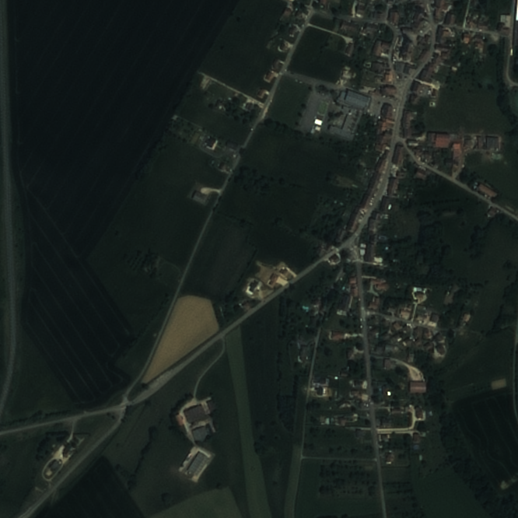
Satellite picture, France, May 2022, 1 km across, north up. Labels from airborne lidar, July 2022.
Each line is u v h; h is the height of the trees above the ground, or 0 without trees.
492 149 0
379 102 0
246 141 0
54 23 0
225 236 0
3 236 0
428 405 8
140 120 0
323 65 0
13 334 0
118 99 0
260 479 0
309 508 0
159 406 0
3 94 0
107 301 0
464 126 0
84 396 0
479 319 0
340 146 9
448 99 0
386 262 6
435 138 0
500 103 21
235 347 0
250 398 0
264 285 0
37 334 0
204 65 0
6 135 0
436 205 7
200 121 0
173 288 0
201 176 0
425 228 18
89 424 0
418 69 0
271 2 0
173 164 0
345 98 0
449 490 0
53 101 0
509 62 0
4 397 0
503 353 0
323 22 0
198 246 0
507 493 0
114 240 0
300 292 0
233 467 0
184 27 0
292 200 0
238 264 0
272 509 0
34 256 0
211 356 0
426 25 0
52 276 0
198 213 0
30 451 0
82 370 0
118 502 0
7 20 0
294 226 0
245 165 0
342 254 6
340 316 0
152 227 0
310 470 0
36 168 0
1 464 0
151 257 9
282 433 0
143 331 7
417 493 0
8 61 0
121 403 0
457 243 0
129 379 0
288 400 15
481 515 0
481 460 0
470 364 0
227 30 0
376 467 0
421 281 8
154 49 0
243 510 0
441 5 0
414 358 8
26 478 0
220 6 0
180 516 0
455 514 0
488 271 0
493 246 0
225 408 0
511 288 10
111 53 0
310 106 0
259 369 0
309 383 0
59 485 0
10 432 0
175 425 12
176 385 0
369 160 0
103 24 0
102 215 0
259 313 0
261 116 0
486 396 0
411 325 0
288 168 0
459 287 6
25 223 0
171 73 0
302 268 0
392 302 8
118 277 0
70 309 0
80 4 0
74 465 0
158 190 0
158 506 0
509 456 0
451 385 0
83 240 0
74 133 0
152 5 0
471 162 0
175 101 0
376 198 0
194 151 0
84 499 0
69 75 0
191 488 0
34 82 0
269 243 0
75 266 0
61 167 0
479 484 17
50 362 0
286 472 0
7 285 0
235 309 10
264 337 0
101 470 0
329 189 0
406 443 10
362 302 0
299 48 0
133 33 0
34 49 0
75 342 0
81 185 0
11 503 0
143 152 0
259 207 0
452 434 19
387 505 0
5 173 0
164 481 0
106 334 0
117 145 0
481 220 0
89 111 0
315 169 0
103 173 0
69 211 0
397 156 0
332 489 8
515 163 0
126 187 0
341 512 0
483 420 0
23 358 0
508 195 0
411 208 17
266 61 0
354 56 6
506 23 0
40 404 0
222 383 0
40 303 0
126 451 0
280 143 0
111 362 0
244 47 0
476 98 0
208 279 0
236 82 0
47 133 0
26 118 0
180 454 0
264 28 0
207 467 0
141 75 0
